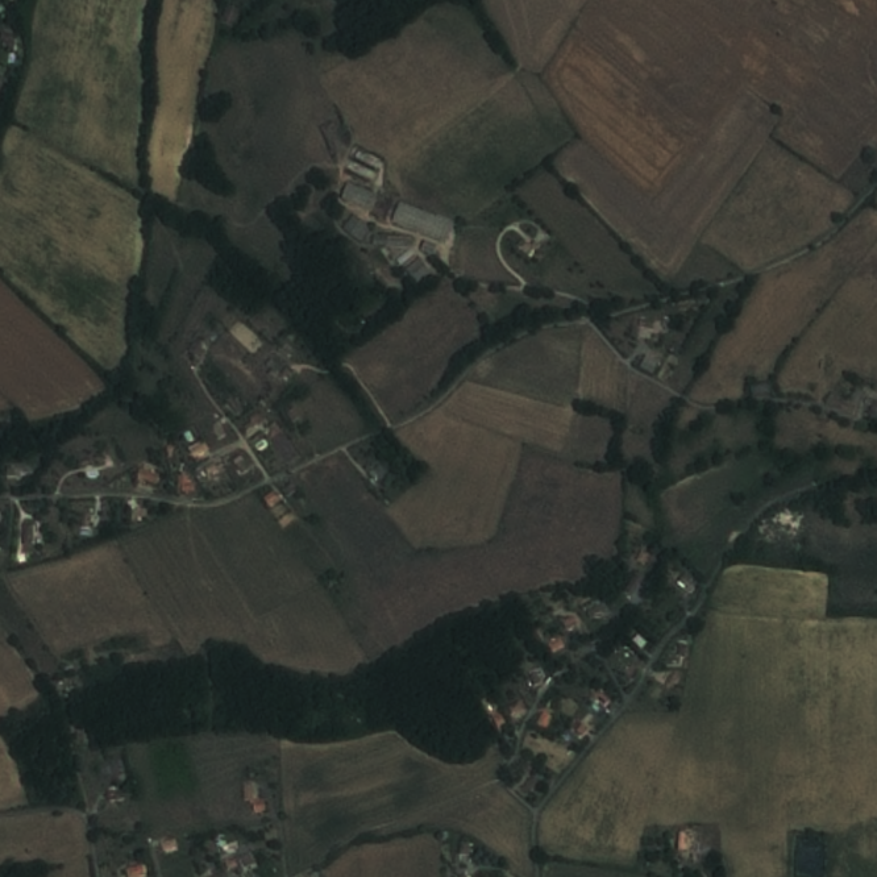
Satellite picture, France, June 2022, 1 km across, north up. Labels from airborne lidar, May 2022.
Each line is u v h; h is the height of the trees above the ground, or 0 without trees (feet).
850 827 0
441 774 0
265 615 0
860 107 0
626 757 0
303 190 41
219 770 0
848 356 0
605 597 55
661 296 22
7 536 27
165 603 0
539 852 48
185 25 0
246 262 73
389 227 0
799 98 0
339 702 32
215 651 28
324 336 20
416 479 31
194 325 0
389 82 0
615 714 0
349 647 0
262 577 0
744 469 0
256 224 0
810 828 36
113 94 0
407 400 0
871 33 0
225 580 0
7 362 0
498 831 0
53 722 31
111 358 0
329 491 0
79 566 0
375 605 0
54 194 0
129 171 0
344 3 41
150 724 48
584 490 0
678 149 0
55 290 0
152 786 0
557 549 0
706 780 0
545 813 0
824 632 0
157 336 31
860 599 0
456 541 0
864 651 0
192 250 0
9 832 0
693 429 39
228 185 48
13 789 0
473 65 0
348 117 0
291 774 0
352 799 0
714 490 0
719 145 0
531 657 29
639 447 0
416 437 0
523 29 0
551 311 52
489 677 47
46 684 55
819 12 0
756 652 0
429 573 0
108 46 0
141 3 0
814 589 0
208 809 0
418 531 0
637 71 0
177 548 0
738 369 0
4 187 0
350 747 0
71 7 0
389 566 0
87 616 0
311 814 0
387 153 0
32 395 0
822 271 0
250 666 46
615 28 0
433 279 46
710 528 0
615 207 0
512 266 0
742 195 0
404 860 0
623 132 0
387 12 63
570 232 0
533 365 0
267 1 61
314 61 0
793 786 0
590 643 28
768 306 0
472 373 0
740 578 0
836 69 0
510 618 52
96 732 44
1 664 0
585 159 0
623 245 33
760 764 0
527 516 0
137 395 48
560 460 0
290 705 48
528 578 0
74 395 0
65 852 0
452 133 0
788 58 0
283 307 73
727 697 0
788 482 0
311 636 0
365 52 52
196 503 0
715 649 0
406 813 0
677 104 0
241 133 0
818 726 0
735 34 0
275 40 37
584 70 0
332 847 29
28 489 30
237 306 26
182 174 38
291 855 0
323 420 0
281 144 0
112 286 0
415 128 0
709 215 0
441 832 26
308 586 0
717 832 0
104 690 55
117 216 0
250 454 0
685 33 0
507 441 0
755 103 0
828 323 0
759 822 0
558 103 0
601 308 68
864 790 0
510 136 0
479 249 0
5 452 54
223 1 19
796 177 0
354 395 35
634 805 0
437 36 0
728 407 50
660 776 0
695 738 0
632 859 0
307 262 68
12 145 0
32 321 0
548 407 0
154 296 0
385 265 0
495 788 0
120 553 0
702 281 33
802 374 0
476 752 43
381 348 0
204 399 0
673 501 0
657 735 0
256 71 0
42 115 0
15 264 0
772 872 0
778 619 0
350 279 44
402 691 63
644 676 33
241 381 0
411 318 0
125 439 0
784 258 0
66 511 48
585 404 55
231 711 39
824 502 41
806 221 0
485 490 0
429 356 0
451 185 0
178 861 0
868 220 0
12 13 57
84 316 0
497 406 0
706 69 0
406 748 0
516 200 26
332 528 0
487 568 0
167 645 0
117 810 0
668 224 0
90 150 0
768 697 0
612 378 0
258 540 0
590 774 0
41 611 0
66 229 0
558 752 0
